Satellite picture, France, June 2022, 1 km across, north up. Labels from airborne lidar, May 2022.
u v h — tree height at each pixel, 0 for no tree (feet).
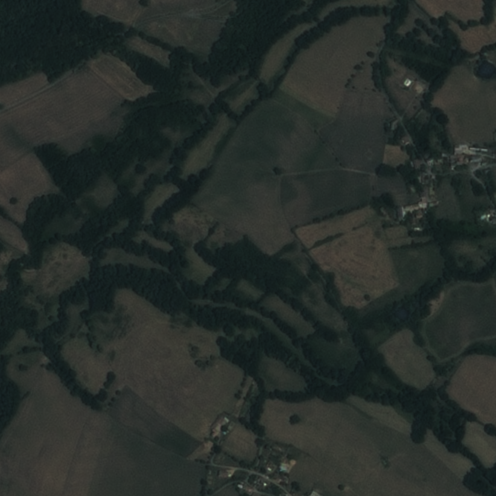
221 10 0
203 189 0
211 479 0
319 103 0
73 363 0
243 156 0
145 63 64
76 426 0
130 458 0
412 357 0
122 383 0
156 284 81
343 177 0
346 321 44
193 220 0
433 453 0
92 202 0
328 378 60
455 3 0
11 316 40
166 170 0
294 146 0
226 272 70
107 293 44
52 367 65
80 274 0
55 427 0
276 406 0
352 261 0
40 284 0
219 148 0
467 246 0
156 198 0
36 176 0
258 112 0
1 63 50
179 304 69
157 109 48
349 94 0
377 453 0
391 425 0
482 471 76
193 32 0
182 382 0
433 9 0
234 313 73
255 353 56
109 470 0
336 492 0
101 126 0
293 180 0
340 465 0
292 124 0
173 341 0
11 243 0
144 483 0
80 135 0
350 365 0
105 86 0
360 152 0
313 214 0
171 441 0
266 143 0
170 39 0
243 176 0
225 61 68
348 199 0
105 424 0
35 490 0
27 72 47
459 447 47
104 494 0
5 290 21
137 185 0
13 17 42
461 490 0
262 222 0
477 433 0
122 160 56
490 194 40
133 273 83
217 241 0
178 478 0
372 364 55
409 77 0
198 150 0
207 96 0
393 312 45
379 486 0
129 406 0
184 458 0
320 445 0
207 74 55
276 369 0
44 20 57
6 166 0
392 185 0
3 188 0
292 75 0
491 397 0
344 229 0
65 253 0
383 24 0
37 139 0
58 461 0
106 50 52
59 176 47
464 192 0
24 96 0
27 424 0
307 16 61
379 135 0
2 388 40
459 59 87
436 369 36
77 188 42
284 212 0
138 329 0
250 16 61
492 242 0
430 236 36
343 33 0
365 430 0
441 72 27
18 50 60
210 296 35
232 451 0
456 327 0
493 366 0
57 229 0
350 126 0
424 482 0
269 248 0
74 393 34
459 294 0
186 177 0
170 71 38
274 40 60
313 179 0
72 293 26
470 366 0
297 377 0
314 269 43
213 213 0
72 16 63
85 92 0
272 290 63
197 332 0
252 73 47
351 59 0
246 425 44
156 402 0
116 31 68
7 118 0
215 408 0
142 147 30
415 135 20
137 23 0
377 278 0
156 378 0
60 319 54
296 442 0
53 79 33
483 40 0
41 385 0
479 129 0
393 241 0
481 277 70
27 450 0
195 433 0
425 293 57
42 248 40
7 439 0
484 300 0
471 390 0
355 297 0
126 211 39
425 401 74
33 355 0
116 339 0
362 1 0
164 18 0
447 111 0
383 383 0
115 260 0
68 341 0
